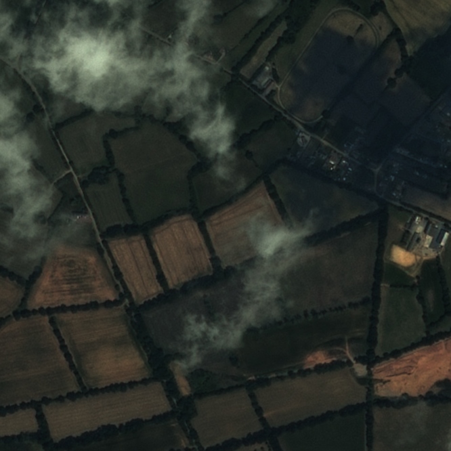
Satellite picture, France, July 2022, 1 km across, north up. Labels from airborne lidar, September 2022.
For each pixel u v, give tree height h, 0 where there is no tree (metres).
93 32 0
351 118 0
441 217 6
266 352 0
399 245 0
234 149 11
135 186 0
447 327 0
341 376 0
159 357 16
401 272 0
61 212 0
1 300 0
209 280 20
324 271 0
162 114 0
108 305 13
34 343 0
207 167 13
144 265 0
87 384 0
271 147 0
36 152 0
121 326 0
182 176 0
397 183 0
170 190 0
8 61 0
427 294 0
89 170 0
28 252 0
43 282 0
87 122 0
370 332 9
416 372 0
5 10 0
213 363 0
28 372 0
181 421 16
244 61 7
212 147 0
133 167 0
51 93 0
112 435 21
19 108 0
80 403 0
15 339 0
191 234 0
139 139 0
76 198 9
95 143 0
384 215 21
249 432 0
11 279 14
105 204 0
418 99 0
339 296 0
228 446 21
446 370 0
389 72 0
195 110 10
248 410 0
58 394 0
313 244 18
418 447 0
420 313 0
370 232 0
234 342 0
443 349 0
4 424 0
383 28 0
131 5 0
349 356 0
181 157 0
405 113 0
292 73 0
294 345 0
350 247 0
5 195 0
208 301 9
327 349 0
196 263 0
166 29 0
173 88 0
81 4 0
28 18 0
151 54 0
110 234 17
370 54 0
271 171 6
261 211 0
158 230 0
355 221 15
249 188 6
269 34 7
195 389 0
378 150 9
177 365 0
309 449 0
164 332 0
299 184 0
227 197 0
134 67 12
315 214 0
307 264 0
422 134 0
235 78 12
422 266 0
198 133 0
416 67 0
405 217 0
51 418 0
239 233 0
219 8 0
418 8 0
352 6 14
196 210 13
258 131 6
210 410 0
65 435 0
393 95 0
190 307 0
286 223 18
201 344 0
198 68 0
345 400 0
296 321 19
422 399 13
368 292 0
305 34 0
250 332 14
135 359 0
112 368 0
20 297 0
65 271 0
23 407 13
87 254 0
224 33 0
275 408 0
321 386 0
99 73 19
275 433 19
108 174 5
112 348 0
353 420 0
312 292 0
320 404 0
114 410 0
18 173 0
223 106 0
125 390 15
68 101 0
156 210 0
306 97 0
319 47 0
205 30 0
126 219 0
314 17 0
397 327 0
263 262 20
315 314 21
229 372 0
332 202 0
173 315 0
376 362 11
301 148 0
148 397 0
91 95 0
